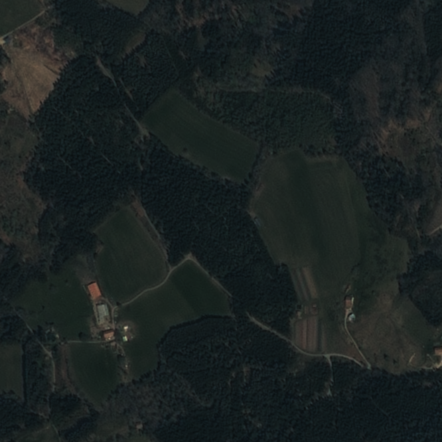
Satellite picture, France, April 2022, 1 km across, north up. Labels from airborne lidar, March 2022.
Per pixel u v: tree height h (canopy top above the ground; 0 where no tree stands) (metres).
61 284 0
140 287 0
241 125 13
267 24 24
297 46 29
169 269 12
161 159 22
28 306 0
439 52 26
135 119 11
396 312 0
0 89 12
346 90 20
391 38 28
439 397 18
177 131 0
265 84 20
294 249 0
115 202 26
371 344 0
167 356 18
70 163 17
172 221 16
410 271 11
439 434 24
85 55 8
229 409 21
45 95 0
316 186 0
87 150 16
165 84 24
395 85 32
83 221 25
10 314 13
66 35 13
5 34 0
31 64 0
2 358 0
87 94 13
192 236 18
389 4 24
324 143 13
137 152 14
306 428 12
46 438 0
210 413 17
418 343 0
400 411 11
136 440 0
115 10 17
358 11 20
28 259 0
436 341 0
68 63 0
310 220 0
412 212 28
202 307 0
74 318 0
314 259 0
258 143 6
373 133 31
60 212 22
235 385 10
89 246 27
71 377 15
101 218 24
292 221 0
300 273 0
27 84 0
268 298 16
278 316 7
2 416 28
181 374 11
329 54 17
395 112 35
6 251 27
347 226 0
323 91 23
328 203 0
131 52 0
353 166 20
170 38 7
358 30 21
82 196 19
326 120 10
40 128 8
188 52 19
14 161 0
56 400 18
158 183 25
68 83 16
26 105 0
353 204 0
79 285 0
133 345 0
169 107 0
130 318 0
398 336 0
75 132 12
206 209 19
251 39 16
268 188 0
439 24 22
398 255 0
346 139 28
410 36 27
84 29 23
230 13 32
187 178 17
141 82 23
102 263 0
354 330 0
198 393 20
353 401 8
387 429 20
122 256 0
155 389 14
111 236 0
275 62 23
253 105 7
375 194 29
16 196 0
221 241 16
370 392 18
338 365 7
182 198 20
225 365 17
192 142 0
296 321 0
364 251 0
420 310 8
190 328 18
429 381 13
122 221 0
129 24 23
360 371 12
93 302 0
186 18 9
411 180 34
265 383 23
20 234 11
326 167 0
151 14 22
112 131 12
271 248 0
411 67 25
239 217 19
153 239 0
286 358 8
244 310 23
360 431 16
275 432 21
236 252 16
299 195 0
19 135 0
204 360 21
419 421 13
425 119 29
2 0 0
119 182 20
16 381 0
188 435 22
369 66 22
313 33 22
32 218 0
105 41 17
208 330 15
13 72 0
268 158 12
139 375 0
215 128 0
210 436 25
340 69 21
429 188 25
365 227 0
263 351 10
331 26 24
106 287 0
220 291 0
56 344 0
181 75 9
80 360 0
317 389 7
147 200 22
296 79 19
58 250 19
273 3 17
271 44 20
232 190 19
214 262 20
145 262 0
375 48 20
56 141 13
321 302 0
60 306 0
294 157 0
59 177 17
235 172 0
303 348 0
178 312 0
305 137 12
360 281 0
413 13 30
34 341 19
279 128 13
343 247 0
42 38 0
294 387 8
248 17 24
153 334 0
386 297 0
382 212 29
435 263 15
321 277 0
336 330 0
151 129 0
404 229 10
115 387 0
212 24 17
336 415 8
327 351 0
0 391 0
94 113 12
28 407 23
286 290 20
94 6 24
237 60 7
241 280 24
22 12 0
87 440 22
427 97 31
